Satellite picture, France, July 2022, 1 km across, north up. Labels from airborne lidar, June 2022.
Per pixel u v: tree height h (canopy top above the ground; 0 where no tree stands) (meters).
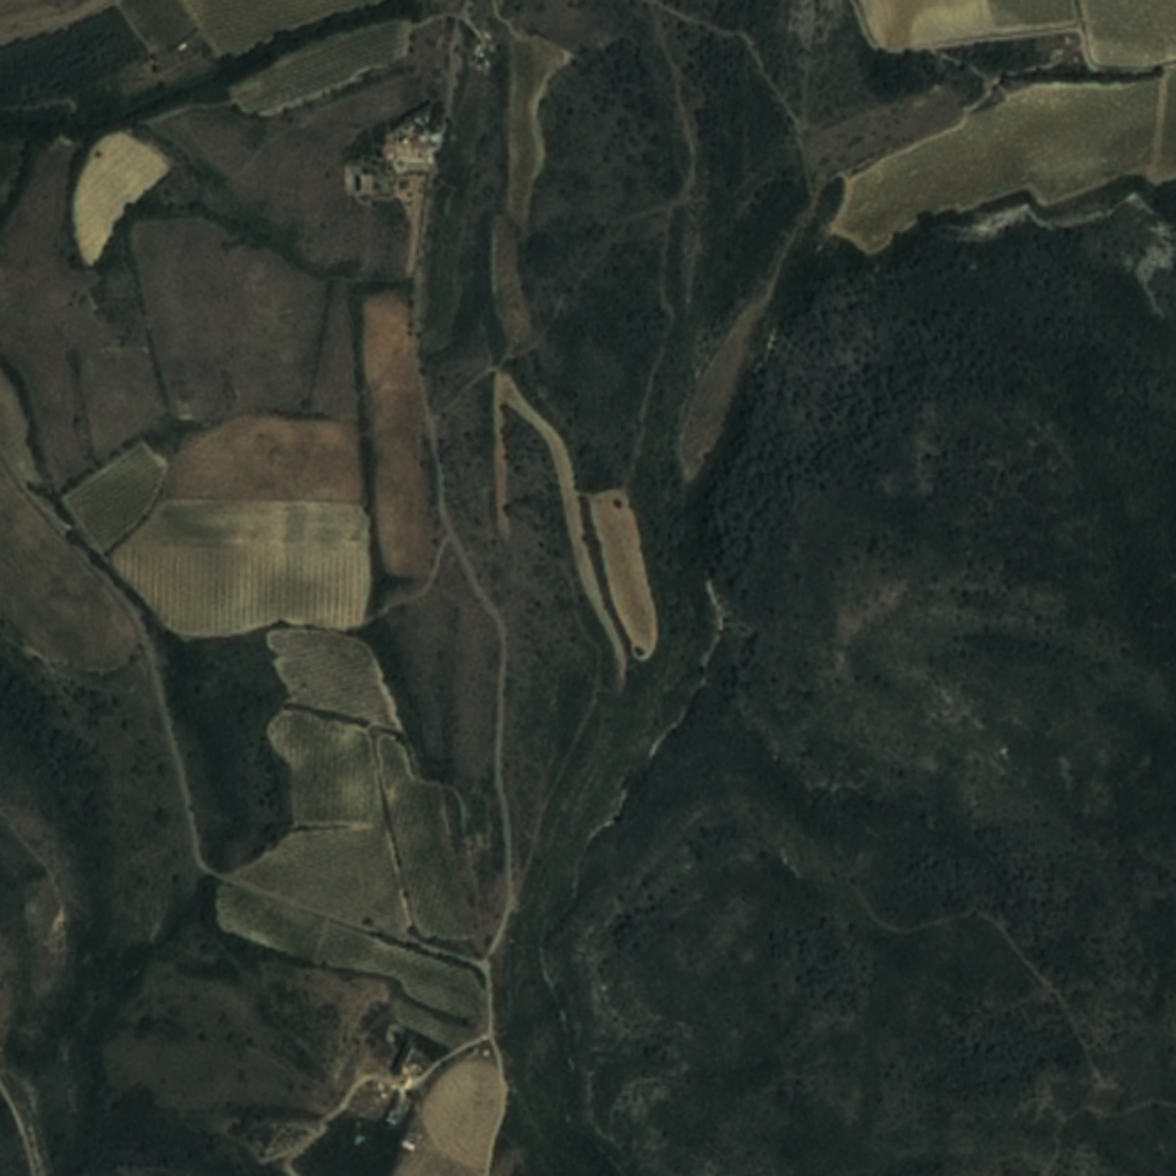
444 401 0
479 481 0
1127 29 0
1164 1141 0
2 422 0
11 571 0
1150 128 0
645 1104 0
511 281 0
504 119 0
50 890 0
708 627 7
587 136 0
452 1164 0
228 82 9
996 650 10
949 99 0
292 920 0
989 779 0
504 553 0
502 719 0
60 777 12
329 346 0
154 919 0
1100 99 0
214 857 9
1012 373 6
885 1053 0
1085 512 6
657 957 0
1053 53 0
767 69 6
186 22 0
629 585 0
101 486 0
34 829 0
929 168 0
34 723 10
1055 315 6
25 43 8
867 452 8
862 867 0
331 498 0
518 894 0
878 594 0
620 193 0
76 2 0
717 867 0
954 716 0
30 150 10
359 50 0
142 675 0
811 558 0
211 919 11
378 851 0
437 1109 0
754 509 13
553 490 8
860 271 11
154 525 0
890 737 0
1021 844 6
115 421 0
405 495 0
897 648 0
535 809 0
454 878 0
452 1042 0
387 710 0
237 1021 0
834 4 0
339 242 0
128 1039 0
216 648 0
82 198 0
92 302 0
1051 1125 0
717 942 0
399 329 0
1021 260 8
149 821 0
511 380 0
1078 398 6
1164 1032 0
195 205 7
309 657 0
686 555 6
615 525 0
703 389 0
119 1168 7
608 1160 7
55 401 0
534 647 0
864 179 0
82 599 0
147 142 0
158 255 0
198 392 0
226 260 0
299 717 0
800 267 5
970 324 9
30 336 0
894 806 6
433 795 0
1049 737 0
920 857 8
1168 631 9
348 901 0
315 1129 0
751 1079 5
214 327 0
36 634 0
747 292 10
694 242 0
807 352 9
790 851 0
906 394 10
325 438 0
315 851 0
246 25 0
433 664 0
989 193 0
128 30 8
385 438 0
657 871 0
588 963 0
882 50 11
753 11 8
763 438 11
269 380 0
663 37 0
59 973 0
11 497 0
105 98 7
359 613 0
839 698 0
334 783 0
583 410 8
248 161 0
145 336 0
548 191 0
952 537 11
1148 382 10
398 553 0
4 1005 0
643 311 7
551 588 0
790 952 12
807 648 0
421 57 0
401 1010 0
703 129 6
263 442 0
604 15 0
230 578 0
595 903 0
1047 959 12
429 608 0
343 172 0
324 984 0
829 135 0
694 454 0
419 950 12
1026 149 0
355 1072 0
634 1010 0
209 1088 0
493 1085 0
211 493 0
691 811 0
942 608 0
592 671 0
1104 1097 0
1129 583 7
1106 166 0
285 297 0
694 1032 0
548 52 0
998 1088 7
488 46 0
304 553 0
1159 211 7
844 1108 0
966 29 0
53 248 0
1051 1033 8
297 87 0
